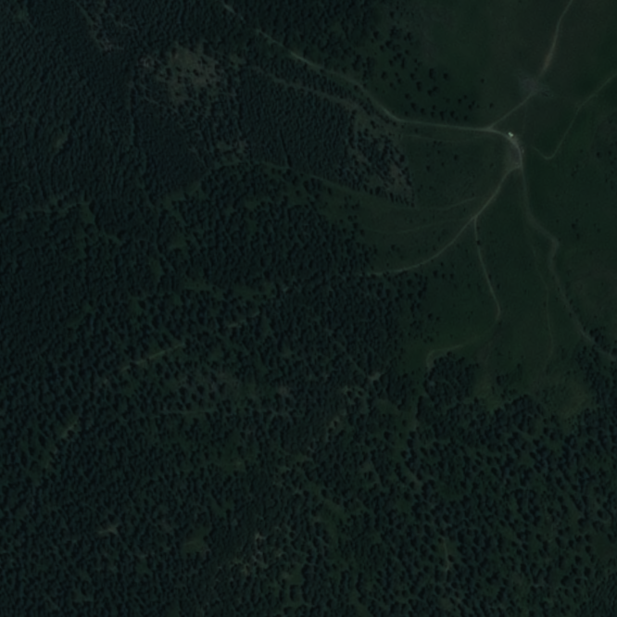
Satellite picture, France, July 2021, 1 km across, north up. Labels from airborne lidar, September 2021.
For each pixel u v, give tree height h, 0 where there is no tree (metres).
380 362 13
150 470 13
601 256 0
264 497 15
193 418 0
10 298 15
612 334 0
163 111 21
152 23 20
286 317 20
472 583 25
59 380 26
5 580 20
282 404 12
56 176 24
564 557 7
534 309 0
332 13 21
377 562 16
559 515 26
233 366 12
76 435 25
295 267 21
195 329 29
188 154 20
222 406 12
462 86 0
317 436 26
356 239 14
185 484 6
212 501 22
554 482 30
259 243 21
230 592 18
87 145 19
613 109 0
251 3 26
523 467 12
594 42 0
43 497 22
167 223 21
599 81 0
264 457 18
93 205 11
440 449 28
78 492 11
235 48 17
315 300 13
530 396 20
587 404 0
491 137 0
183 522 15
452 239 0
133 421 16
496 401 0
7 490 10
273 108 23
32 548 21
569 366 0
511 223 0
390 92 0
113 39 23
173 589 15
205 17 19
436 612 24
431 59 0
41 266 20
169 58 23
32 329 21
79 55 23
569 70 0
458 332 0
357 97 17
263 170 17
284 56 14
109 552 17
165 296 6
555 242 0
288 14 24
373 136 13
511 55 0
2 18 22
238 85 23
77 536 25
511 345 0
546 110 0
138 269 15
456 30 0
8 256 24
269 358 22
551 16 0
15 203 19
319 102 20
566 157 0
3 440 18
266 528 15
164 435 14
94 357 17
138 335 21
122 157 17
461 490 7
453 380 14
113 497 18
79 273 19
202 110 20
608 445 25
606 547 0
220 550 9
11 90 26
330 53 8
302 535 11
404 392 22
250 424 19
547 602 8
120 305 19
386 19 0
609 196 0
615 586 14
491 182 0
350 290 20
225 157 17
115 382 21
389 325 20
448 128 0
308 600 21
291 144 19
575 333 0
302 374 12
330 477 18
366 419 28
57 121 25
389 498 19
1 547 9
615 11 0
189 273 17
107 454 21
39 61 21
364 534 14
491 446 18
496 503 30
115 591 13
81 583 15
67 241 17
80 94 28
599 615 10
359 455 19
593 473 32
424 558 17
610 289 0
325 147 16
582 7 0
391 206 0
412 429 0
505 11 0
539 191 0
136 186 21
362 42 11
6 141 14
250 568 16
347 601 10
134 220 24
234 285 12
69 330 9
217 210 22
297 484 26
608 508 24
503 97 0
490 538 25
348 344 11
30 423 26
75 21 21
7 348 13
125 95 22
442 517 18
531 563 8
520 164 0
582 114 0
